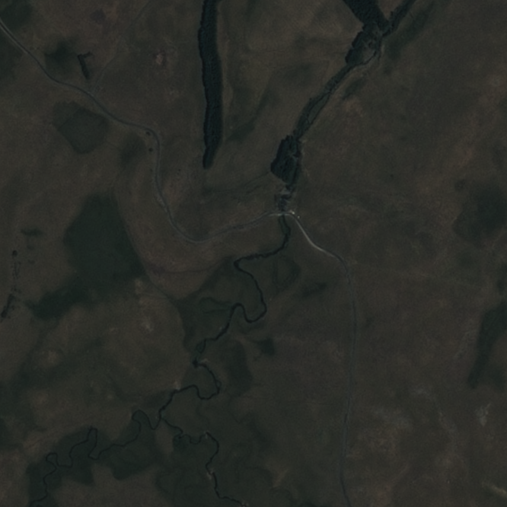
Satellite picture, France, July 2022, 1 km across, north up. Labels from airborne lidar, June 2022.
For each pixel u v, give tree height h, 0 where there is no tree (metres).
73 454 0
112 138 0
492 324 0
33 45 0
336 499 0
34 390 0
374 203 0
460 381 0
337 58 0
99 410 0
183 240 0
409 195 0
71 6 0
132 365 0
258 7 0
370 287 0
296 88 0
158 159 0
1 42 0
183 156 0
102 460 0
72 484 0
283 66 0
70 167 0
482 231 0
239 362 0
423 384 0
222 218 0
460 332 0
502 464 0
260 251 0
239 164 0
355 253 0
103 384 0
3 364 0
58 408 0
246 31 0
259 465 0
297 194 0
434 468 0
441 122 0
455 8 0
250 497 0
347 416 0
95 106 0
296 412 0
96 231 0
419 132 0
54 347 0
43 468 0
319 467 0
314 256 0
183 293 0
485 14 0
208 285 0
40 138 0
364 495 0
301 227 0
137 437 0
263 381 0
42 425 0
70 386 0
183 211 0
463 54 0
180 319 0
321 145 0
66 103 0
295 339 0
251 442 0
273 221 0
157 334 0
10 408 0
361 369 0
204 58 23
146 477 0
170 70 0
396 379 0
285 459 0
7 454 0
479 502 0
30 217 0
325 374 0
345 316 0
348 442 0
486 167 0
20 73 0
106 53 0
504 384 0
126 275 0
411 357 0
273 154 0
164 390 0
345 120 0
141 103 0
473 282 0
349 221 0
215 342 0
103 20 0
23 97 0
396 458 0
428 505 0
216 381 0
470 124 0
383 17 19
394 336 0
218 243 0
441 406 0
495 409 0
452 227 0
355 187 0
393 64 0
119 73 0
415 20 0
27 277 0
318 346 0
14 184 0
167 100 0
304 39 0
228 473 0
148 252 0
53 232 0
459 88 0
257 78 0
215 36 21
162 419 0
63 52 0
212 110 18
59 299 0
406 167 0
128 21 0
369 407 0
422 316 0
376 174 0
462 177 0
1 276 0
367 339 0
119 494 0
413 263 0
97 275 0
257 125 0
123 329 0
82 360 0
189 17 0
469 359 0
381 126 0
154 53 0
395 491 0
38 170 0
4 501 0
